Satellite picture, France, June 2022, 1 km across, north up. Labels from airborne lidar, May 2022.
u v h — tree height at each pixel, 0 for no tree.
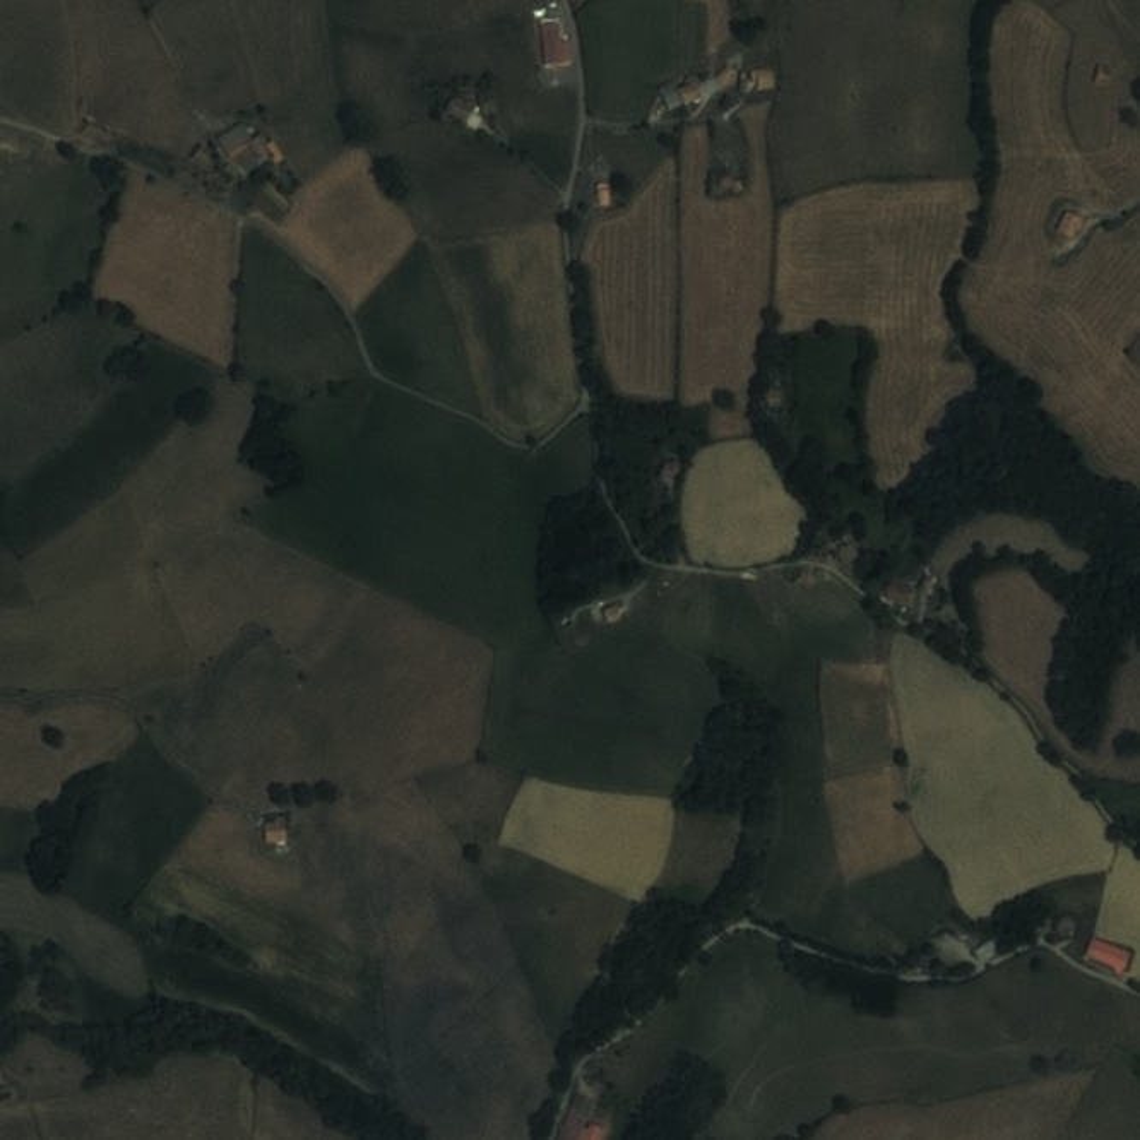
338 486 0
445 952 0
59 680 0
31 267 0
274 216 0
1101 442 0
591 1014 18
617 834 0
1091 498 27
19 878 0
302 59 0
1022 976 0
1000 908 9
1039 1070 12
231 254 0
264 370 0
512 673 0
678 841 0
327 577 0
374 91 0
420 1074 0
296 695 0
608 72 0
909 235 0
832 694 0
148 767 0
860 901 0
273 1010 0
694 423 0
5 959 20
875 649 0
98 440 0
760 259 0
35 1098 0
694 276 0
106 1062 13
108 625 0
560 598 17
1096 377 0
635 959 13
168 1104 0
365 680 0
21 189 0
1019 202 0
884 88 0
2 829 0
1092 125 0
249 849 0
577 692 0
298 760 0
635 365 0
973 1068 0
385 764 0
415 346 0
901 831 0
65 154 17
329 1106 18
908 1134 0
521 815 0
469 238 0
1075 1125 0
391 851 0
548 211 0
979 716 0
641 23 0
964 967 11
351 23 0
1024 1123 0
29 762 0
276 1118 0
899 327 0
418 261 0
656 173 0
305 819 0
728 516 0
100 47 0
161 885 0
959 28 0
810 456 19
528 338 0
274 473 17
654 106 0
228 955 6
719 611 0
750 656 0
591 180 0
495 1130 0
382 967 0
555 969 0
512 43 0
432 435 0
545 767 0
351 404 0
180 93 0
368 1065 0
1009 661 0
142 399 0
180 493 0
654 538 11
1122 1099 0
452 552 0
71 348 0
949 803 0
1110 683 15
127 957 0
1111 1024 0
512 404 0
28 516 0
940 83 0
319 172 0
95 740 0
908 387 0
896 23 0
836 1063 0
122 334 0
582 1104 0
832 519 12
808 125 0
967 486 22
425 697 0
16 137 0
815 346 0
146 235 0
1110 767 0
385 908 0
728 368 0
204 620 0
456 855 0
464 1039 0
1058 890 0
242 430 0
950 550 0
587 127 0
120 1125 0
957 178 0
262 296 0
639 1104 0
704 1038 0
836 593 0
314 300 0
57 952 20
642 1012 26
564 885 0
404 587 0
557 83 0
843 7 0
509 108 0
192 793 0
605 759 0
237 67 0
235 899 0
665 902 15
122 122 0
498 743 0
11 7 0
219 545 0
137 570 0
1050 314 0
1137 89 14
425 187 0
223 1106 0
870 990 14
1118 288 0
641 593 0
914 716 0
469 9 0
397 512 0
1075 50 0
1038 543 0
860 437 6
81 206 0
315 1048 0
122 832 0
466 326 0
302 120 0
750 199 0
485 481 0
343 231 0
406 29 0
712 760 22
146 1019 10
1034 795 0
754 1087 0
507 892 0
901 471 0
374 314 0
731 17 0
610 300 0
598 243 0
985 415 27
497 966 0
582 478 0
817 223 0
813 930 0
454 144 0
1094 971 0
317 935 0
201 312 0
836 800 0
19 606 0
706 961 32
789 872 0
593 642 0
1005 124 0
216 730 0
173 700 0
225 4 0
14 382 0
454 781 0
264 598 0
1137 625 14
